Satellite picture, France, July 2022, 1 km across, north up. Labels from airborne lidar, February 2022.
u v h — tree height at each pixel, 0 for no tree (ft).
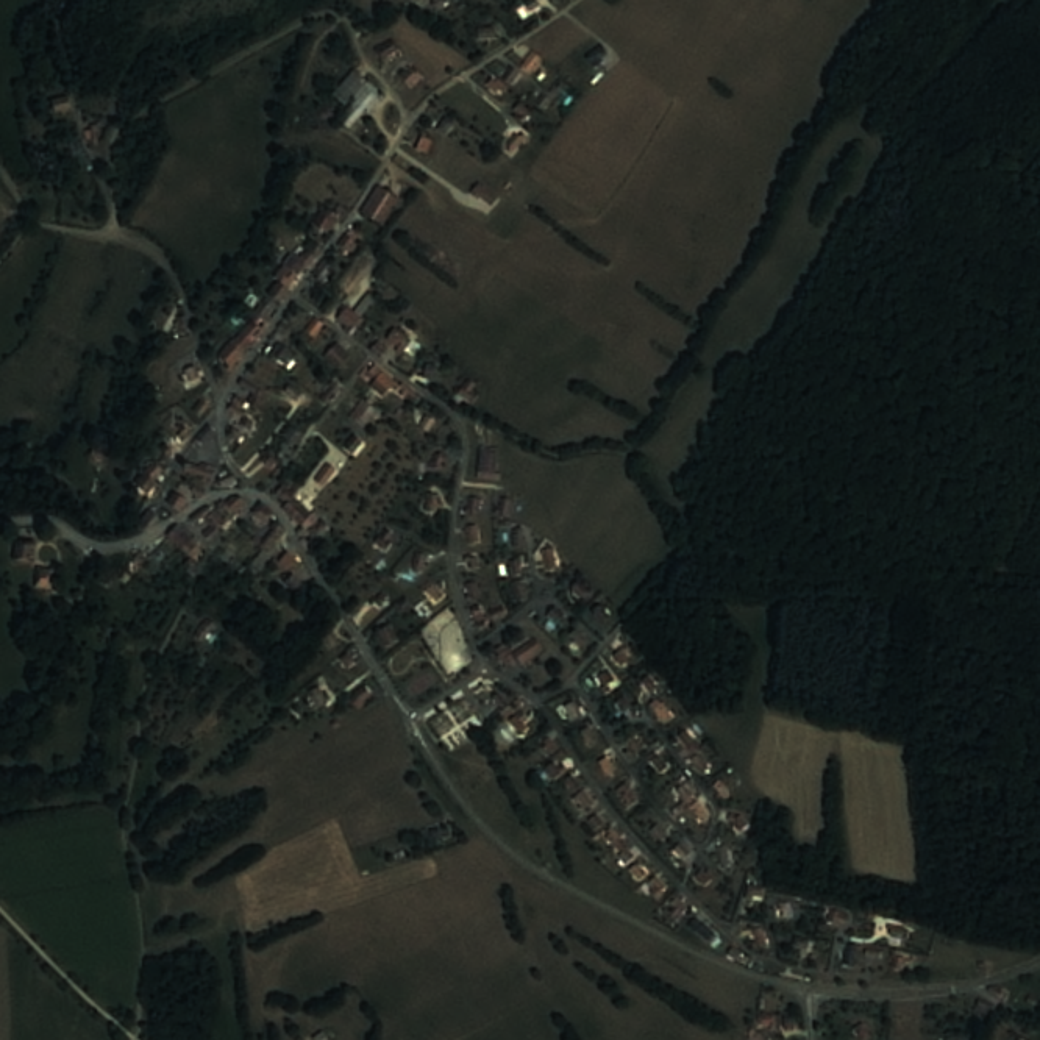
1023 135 28
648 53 0
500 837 0
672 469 0
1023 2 31
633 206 0
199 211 0
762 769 0
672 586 78
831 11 0
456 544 0
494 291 0
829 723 67
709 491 66
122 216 40
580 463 0
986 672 63
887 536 65
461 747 0
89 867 0
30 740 75
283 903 0
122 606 0
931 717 81
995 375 66
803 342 69
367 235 0
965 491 61
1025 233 71
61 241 0
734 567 73
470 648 0
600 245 0
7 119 0
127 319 0
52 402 0
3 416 0
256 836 0
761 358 54
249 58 0
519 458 0
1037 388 73
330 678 0
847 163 51
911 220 61
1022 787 71
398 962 0
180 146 0
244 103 0
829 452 80
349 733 0
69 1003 0
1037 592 58
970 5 47
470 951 0
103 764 85
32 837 0
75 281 0
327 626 77
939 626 68
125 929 0
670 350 0
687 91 0
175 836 0
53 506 18
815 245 0
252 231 26
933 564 49
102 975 0
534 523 0
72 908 0
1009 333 78
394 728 0
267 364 0
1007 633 56
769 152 0
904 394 83
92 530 58
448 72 22
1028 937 53
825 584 60
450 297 0
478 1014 0
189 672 45
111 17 30
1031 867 33
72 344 0
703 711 47
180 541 0
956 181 58
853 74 66
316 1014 47
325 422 0
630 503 0
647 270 0
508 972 0
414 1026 0
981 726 54
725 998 0
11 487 86
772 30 0
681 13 0
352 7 20
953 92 40
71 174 42
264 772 0
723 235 0
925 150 68
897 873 0
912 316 88
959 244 73
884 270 72
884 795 0
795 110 0
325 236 18
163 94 18
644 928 0
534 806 0
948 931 48
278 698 49
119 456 88
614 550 0
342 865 0
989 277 83
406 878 0
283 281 0
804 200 0
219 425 0
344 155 0
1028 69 45
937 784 68
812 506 88
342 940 0
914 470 70
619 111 0
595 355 0
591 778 0
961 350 77
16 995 0
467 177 0
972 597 77
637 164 0
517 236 0
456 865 0
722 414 55
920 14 56
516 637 55
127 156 29
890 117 46
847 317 69
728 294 21
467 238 0
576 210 0
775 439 74
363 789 0
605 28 0
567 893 0
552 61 0
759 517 73
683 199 0
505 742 0
